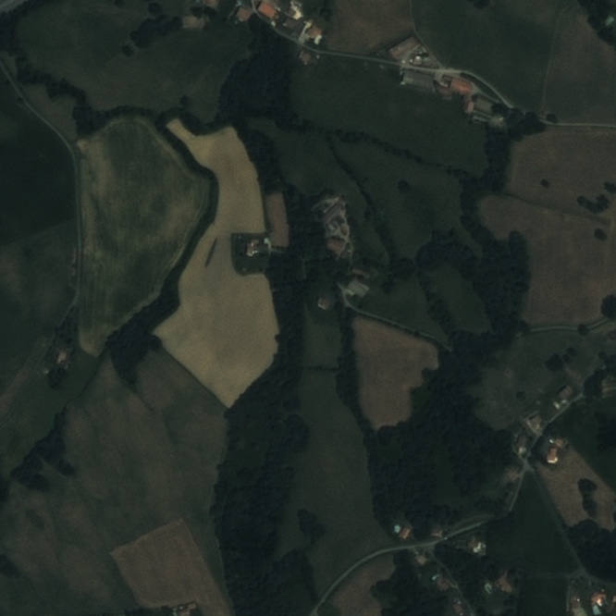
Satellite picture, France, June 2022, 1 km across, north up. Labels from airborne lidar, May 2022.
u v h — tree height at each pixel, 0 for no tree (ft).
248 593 53
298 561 50
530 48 0
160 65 0
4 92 0
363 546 0
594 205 58
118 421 0
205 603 0
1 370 0
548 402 0
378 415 0
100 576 0
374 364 0
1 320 0
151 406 0
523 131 71
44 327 0
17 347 0
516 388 0
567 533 29
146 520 0
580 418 0
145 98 0
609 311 62
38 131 0
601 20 46
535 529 0
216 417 0
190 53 0
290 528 0
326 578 0
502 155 63
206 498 0
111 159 0
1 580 0
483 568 90
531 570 0
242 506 74
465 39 0
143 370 0
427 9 0
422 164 83
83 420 0
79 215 0
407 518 36
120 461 0
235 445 27
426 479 53
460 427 85
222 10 0
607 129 0
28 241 0
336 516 0
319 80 0
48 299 0
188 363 0
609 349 0
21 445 0
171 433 0
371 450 23
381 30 0
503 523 38
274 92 84
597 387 41
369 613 0
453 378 59
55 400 0
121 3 48
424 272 48
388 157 0
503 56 0
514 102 0
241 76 71
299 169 0
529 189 0
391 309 0
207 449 0
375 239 0
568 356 43
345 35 0
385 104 0
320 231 42
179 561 0
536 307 0
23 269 0
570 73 0
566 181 0
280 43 60
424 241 0
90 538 0
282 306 47
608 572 49
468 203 51
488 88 0
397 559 26
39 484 72
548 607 0
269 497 87
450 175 53
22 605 0
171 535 0
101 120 82
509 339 65
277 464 84
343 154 0
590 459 0
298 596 0
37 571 0
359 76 0
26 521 0
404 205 0
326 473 0
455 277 0
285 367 32
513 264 66
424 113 0
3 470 0
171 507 0
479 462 63
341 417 0
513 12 0
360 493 0
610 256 0
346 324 31
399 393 0
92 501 0
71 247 0
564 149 0
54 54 0
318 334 0
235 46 0
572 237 0
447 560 75
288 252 28
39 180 0
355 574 0
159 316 22
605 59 0
